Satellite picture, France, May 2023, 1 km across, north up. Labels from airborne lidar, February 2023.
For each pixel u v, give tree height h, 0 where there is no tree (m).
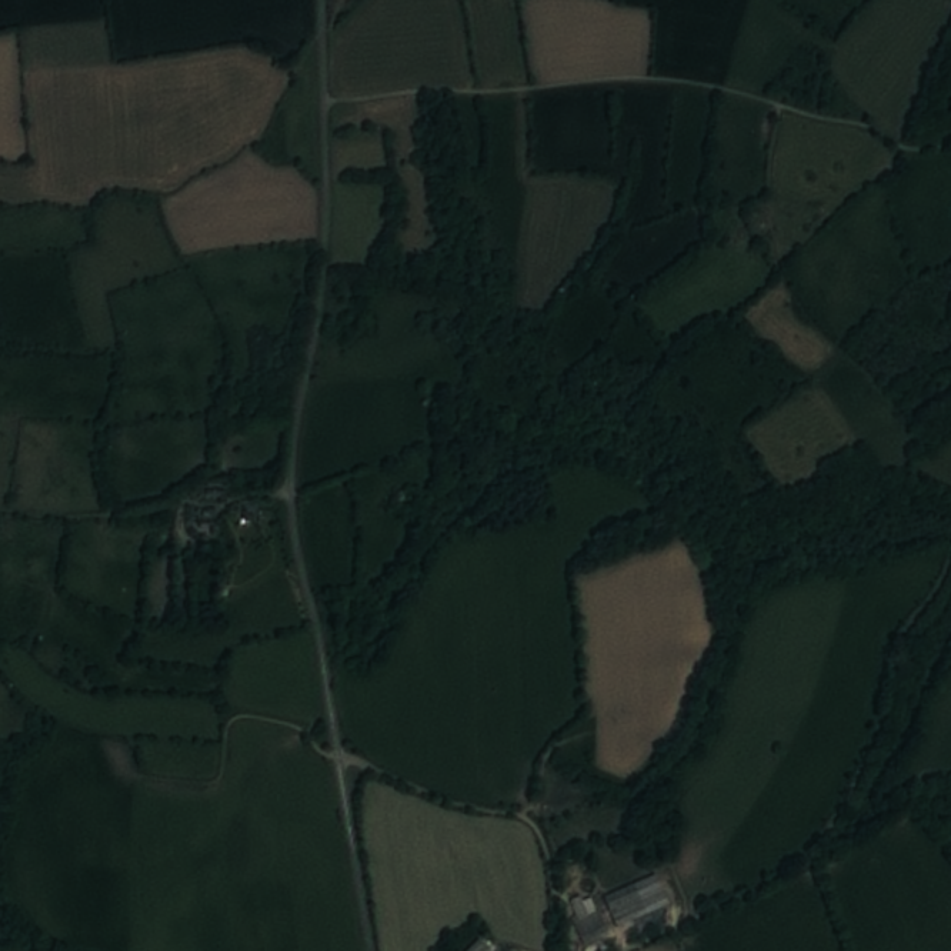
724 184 0
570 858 11
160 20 0
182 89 0
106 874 0
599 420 13
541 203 0
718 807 0
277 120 0
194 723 0
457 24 0
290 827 0
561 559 0
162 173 0
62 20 0
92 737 0
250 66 0
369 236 0
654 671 0
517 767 0
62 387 0
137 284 8
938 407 19
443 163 18
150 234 0
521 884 0
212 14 0
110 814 0
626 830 16
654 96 0
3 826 9
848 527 10
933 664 7
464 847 0
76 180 0
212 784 0
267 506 12
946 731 0
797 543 10
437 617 0
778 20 0
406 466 11
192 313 0
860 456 13
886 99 0
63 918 0
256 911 0
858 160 0
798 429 0
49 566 0
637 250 0
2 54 0
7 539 0
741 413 0
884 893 0
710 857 0
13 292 0
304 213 0
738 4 0
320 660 0
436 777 0
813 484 15
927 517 15
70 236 0
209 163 0
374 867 0
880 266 0
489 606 0
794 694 0
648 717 0
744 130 0
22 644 7
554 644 0
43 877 0
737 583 21
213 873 0
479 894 0
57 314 0
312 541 0
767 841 0
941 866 0
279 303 0
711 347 14
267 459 0
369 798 0
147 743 8
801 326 0
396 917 0
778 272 10
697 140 0
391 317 0
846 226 0
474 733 0
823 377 0
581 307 0
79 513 0
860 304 0
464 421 10
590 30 0
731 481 12
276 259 0
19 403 0
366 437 0
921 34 0
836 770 0
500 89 0
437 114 22
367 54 0
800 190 0
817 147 0
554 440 10
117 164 0
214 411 12
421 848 0
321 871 0
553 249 0
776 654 0
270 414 16
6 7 0
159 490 0
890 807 22
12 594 0
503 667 0
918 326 0
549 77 0
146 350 0
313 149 0
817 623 0
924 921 0
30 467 0
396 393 0
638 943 16
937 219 0
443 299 19
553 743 7
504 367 0
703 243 7
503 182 0
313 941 0
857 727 0
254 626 0
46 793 0
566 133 0
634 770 0
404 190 11
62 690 0
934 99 15
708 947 0
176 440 0
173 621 18
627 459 10
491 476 10
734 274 0
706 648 0
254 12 0
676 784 9
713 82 0
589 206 0
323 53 0
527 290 0
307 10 0
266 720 0
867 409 0
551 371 0
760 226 0
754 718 0
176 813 0
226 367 8
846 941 13
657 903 0
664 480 14
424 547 16
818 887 12
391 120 0
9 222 0
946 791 15
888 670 13
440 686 0
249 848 0
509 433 15
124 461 0
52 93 0
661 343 13
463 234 16
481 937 11
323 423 0
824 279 0
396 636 14
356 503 9
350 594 11
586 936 0
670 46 0
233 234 0
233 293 0
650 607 0
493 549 0
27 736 6
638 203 0
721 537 18
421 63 0
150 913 0
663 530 18
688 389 14
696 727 19
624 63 0
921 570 0
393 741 0
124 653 10
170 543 8
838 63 0
